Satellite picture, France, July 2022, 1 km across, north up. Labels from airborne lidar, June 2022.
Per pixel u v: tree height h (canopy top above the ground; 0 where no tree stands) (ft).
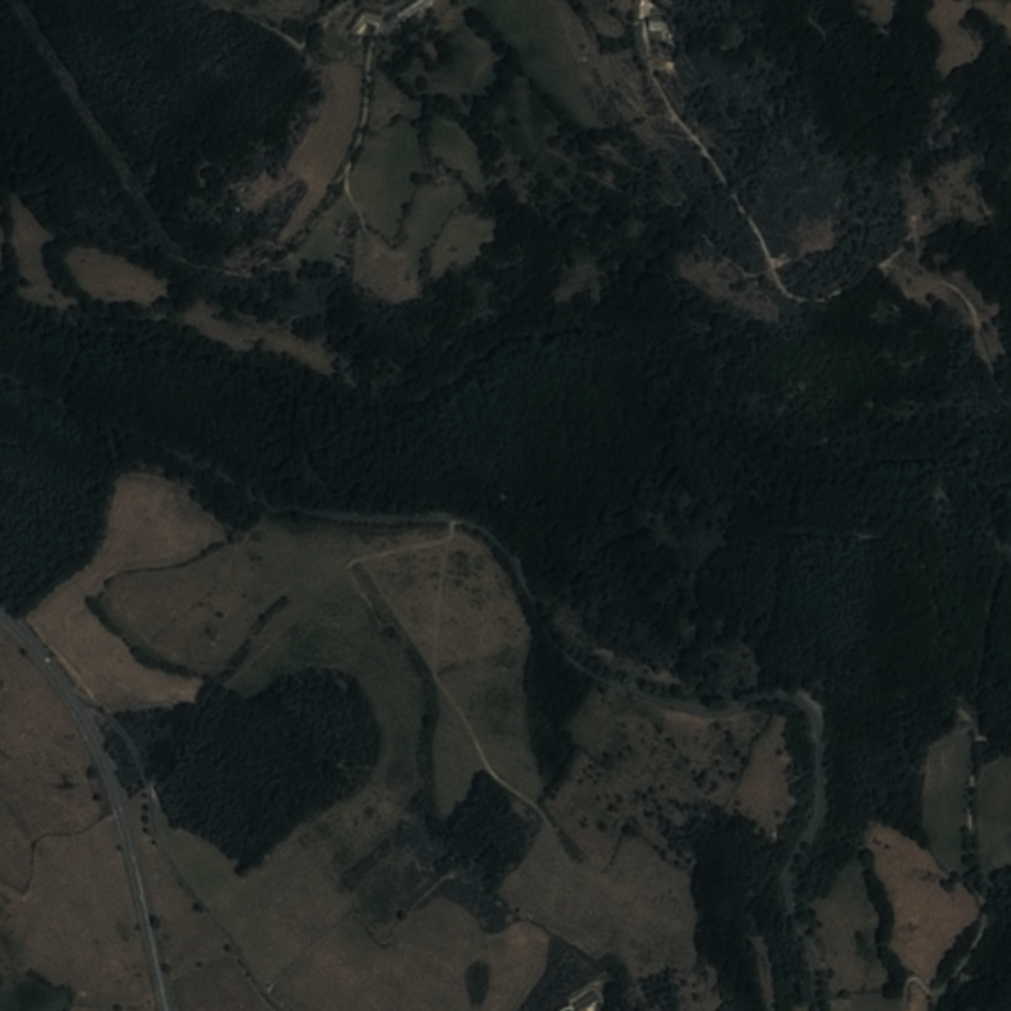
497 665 0
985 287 33
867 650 30
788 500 54
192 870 0
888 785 57
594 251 26
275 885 0
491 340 60
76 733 0
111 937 0
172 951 0
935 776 0
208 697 46
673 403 72
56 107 73
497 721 0
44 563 63
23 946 0
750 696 52
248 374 49
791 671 52
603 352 57
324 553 0
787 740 26
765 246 0
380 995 0
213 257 40
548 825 0
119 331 54
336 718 53
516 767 0
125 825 0
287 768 56
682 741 0
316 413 71
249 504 39
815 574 61
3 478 69
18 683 0
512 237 51
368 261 0
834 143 43
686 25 27
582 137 44
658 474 46
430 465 36
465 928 0
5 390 61
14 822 0
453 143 0
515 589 26
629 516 54
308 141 0
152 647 0
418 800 27
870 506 57
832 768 47
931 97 42
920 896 0
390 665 0
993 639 79
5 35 60
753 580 49
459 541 0
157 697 0
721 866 54
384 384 28
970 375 33
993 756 54
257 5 0
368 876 0
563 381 53
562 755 30
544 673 23
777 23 53
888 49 57
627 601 57
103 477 71
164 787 33
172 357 69
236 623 0
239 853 51
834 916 0
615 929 0
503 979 0
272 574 0
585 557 47
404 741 0
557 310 49
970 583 44
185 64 57
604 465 66
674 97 0
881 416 27
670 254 48
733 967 41
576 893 0
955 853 0
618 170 40
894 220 53
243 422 79
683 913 0
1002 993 86
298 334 63
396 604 0
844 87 56
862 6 24
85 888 0
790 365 27
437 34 28
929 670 61
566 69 0
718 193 39
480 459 55
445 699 0
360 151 21
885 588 37
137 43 59
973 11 32
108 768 0
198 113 18
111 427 63
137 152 51
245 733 57
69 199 67
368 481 71
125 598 0
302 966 0
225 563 0
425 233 0
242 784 56
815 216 0
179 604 0
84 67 62
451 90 0
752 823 22
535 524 68
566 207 41
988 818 0
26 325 23
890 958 60
